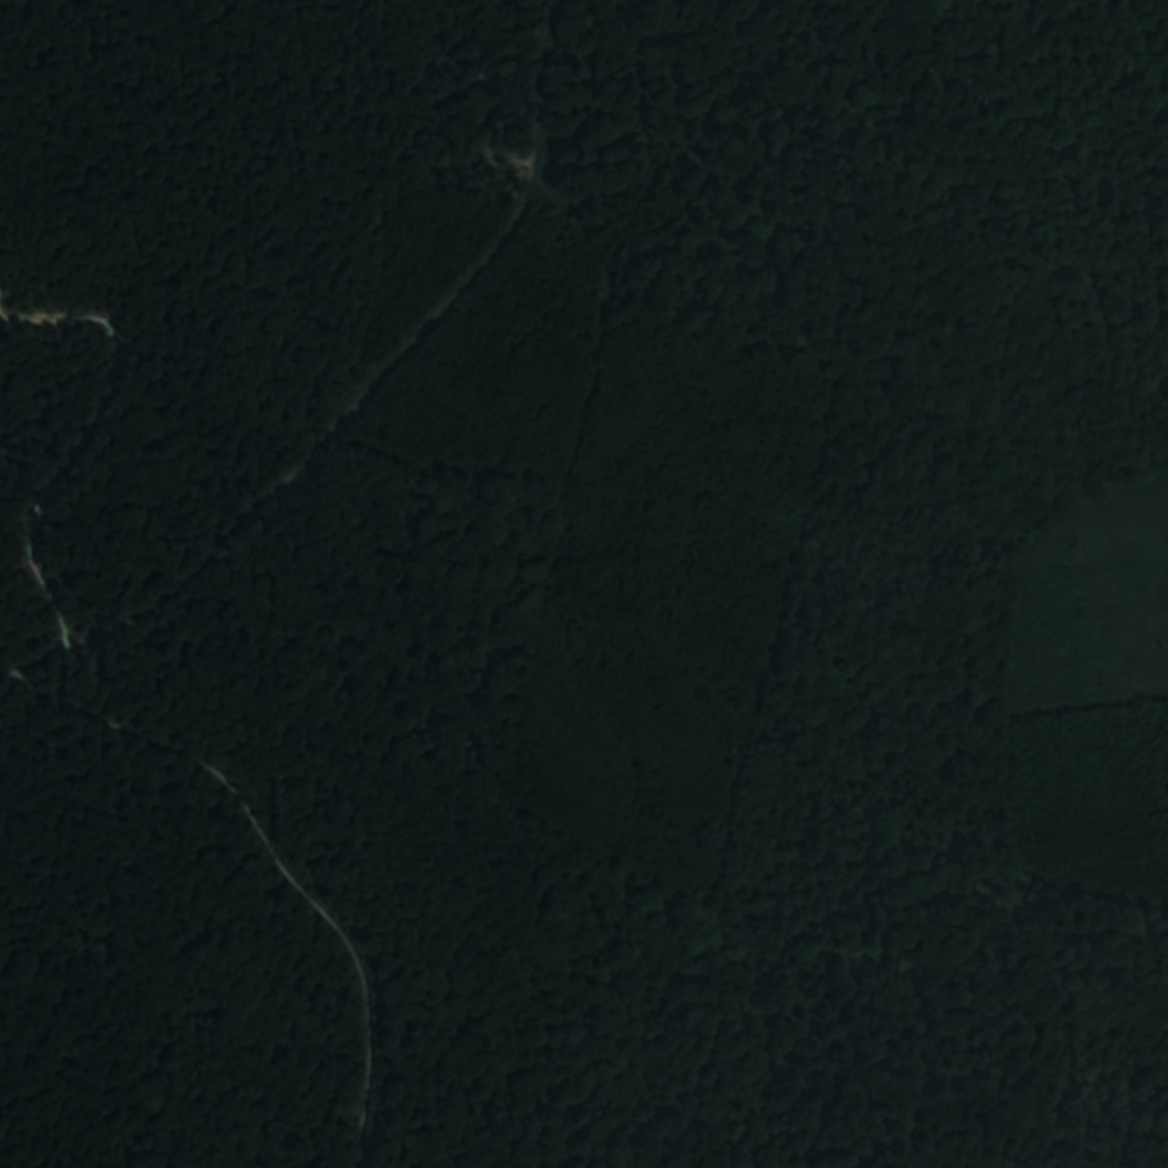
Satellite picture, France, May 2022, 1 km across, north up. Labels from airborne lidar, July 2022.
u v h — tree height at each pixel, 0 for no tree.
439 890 26
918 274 31
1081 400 26
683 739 17
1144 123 25
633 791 17
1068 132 24
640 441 22
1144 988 27
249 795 21
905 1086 34
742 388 22
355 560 31
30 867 30
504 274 11
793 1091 30
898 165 30
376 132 27
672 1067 26
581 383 10
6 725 28
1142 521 0
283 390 30
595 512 25
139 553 28
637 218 14
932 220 26
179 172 29
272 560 27
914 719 27
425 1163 27
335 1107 26
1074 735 16
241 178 27
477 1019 28
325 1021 26
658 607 16
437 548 33
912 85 10
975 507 28
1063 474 31
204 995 33
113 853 28
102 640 26
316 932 25
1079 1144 30
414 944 22
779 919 16
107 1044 29
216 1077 28
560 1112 18
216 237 25
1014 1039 31
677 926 29
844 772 24
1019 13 23
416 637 31
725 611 16
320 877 23
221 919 28
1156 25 19
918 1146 32
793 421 22
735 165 34
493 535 40
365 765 29
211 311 28
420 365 11
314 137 28
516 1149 29
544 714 14
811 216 30
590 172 37
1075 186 32
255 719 28
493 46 27
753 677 14
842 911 24
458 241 13
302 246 29
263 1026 28
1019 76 29
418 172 29
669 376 22
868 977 32
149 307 29
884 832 28
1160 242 22
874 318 29
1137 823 14
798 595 24
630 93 32
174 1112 26
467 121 32
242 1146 24
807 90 32
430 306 11
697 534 23
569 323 7
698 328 25
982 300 32
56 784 30
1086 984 31
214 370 28
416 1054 26
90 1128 28
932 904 23
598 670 18
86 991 26
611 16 27
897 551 24
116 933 30
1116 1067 23
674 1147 11
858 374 31
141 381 27
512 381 11
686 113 21
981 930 30
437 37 18
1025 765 16
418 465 11
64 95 30
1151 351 24
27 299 19
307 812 23
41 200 27
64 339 27
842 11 27
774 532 15
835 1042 8
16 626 32
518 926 29
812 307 33
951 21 29
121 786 28
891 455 31
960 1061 29
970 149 23
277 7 29
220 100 29
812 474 19
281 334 27
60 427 27
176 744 21
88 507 30
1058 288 32
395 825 28
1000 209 33
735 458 24
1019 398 16
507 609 37
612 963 24
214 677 28
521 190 30
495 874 28
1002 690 29
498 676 31
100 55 26
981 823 14
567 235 6
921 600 30
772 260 26
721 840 15
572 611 14
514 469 13
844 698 30
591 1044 33
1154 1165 34
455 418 12
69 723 30
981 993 33
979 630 33
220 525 23
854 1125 30
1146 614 0
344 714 32
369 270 26
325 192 27
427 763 32
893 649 29
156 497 30
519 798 14
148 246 27
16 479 30
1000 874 24
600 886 34
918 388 32
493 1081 17
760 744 26
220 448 28
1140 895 7
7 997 30
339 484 27
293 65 26
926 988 33
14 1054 31
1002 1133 31
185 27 33
